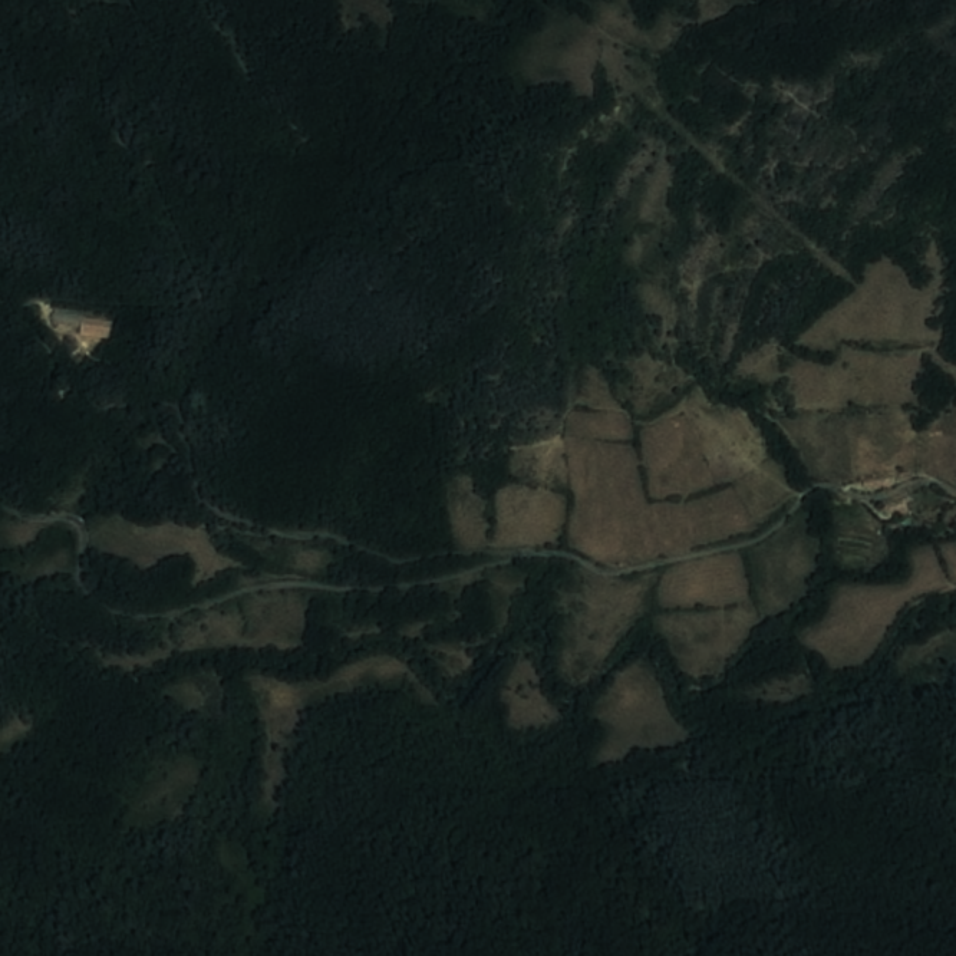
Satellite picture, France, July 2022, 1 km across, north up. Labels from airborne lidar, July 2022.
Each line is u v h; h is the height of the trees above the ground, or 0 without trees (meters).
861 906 16
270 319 22
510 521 0
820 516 20
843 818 17
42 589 17
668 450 0
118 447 15
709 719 15
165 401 22
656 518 0
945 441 0
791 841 17
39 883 18
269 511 13
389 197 20
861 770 10
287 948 18
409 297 16
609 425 0
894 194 11
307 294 19
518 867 19
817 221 9
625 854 9
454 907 21
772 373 0
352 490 11
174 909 6
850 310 0
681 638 0
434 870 23
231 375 14
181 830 9
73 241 15
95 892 13
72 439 14
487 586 10
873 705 16
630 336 12
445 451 15
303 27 15
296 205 16
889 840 15
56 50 9
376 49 13
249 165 18
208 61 13
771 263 8
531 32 10
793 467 19
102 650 9
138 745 14
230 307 20
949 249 13
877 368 0
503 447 15
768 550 0
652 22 12
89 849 12
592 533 0
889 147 9
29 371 10
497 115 17
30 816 18
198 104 15
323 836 23
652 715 0
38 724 11
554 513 0
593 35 0
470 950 22
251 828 8
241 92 21
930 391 10
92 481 7
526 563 12
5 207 13
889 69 11
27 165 13
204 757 7
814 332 0
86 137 13
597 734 13
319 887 24
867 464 0
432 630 11
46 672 15
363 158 14
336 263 23
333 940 24
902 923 20
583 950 16
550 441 0
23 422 15
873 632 0
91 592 14
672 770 12
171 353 25
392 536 9
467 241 15
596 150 11
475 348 16
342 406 15
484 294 17
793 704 10
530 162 14
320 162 17
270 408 15
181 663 13
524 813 14
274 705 0
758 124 16
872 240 13
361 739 14
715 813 27
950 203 12
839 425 0
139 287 16
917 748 22
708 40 13
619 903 21
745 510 0
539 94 13
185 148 18
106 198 15
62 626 21
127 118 12
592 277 8
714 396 11
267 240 13
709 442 0
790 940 21
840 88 9
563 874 18
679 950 8
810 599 14
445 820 21
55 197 18
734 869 24
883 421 0
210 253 21
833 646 0
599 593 0
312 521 8
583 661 0
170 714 16
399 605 14
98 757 12
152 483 14
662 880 18
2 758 11
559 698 18
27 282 13
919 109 11
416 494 10
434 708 7
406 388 16
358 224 10
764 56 15
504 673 25
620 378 6
